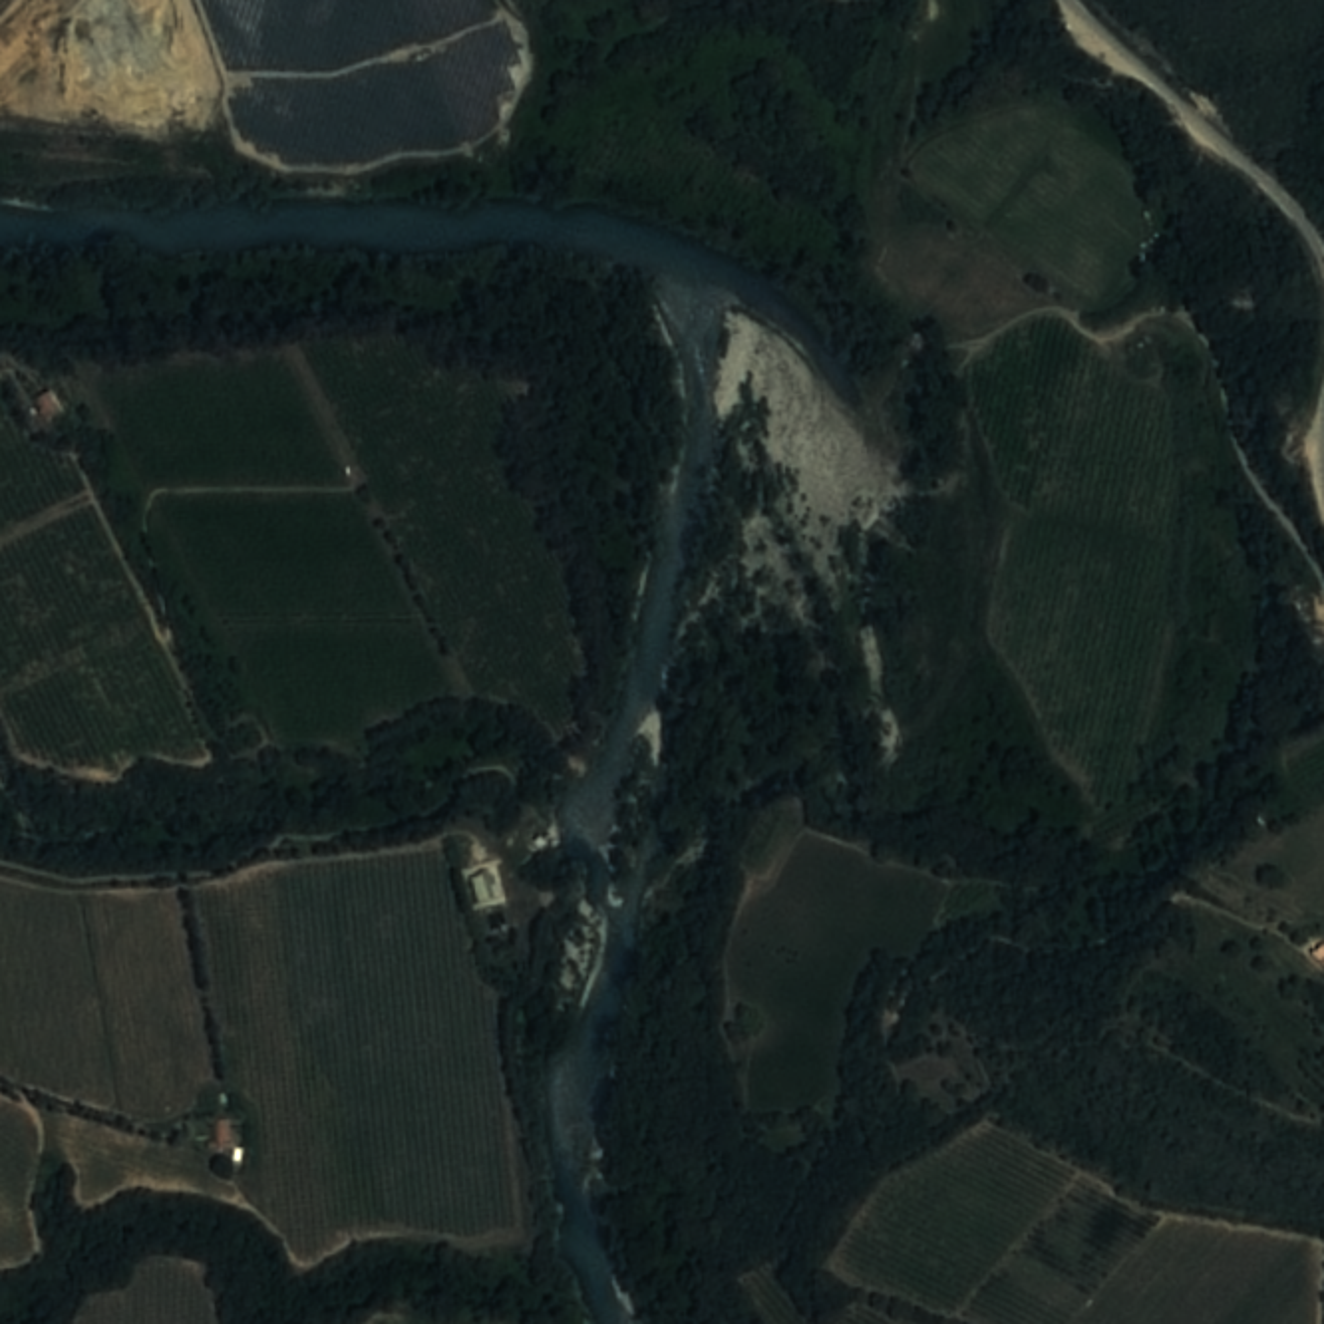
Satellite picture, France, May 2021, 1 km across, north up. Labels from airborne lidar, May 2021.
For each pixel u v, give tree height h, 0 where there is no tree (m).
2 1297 12
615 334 26
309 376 0
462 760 9
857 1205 11
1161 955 11
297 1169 0
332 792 24
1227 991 7
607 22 17
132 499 8
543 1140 7
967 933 8
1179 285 19
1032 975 8
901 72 7
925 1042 8
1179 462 7
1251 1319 0
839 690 29
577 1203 0
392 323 32
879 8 8
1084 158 0
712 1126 19
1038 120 0
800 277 26
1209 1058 7
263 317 24
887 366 16
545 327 20
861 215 24
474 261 7
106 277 5
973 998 11
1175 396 7
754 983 0
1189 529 5
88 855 16
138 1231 19
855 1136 11
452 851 9
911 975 8
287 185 9
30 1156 0
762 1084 0
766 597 5
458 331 16
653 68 8
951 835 13
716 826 18
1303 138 13
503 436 29
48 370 7
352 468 0
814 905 0
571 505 21
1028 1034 7
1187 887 7
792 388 0
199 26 0
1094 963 11
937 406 28
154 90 0
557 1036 10
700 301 0
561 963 12
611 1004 0
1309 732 16
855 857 0
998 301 0
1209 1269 0
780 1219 13
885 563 25
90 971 0
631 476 24
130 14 0
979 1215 0
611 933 0
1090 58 8
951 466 24
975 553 0
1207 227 16
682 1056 18
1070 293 0
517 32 0
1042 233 0
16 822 14
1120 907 11
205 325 16
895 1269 0
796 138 9
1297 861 0
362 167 0
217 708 7
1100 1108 11
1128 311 6
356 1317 19
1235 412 8
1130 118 15
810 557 28
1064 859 9
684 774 10
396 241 0
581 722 16
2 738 7
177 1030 0
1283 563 13
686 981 20
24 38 0
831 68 13
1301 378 7
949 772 11
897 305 6
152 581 6
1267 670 15
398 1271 20
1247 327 11
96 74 0
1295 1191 9
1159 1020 13
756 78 9
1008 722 10
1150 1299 0
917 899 0
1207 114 0
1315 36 6
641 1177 8
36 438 10
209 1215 13
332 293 11
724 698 6
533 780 18
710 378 0
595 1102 0
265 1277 27
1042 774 11
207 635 7
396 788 31
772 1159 12
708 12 13
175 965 0
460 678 0
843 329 7
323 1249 0
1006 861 14
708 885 11
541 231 0
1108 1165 14
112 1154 0
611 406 20
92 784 7
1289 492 10
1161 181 23
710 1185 17
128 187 17
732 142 7
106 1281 10
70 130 0
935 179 0
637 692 0
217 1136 0
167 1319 0
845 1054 6
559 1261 15
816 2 7
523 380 21
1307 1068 8
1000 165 0
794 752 29
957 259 0
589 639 15
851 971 0
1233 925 0
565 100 14
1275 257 6
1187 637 6
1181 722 7
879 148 7
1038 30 8
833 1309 14
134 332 32
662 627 0
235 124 0
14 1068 0
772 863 0
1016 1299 0
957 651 0
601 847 0
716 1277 19
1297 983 14
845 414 0
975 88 19
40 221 0
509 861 0
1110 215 0
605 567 16
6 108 0
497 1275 9
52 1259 9
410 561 10
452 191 25
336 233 0
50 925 0
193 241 0
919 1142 9
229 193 10
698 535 25
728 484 20
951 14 0
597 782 0
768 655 10
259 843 13
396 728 17
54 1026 0
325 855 12
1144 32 7
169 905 0
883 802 19
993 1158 0
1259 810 9
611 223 0
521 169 9
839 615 20
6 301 7
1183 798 15
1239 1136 6
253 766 6
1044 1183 0
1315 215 11
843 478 0
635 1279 26
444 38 0
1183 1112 9
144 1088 0
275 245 9
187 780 7
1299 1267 0
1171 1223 0
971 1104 9
